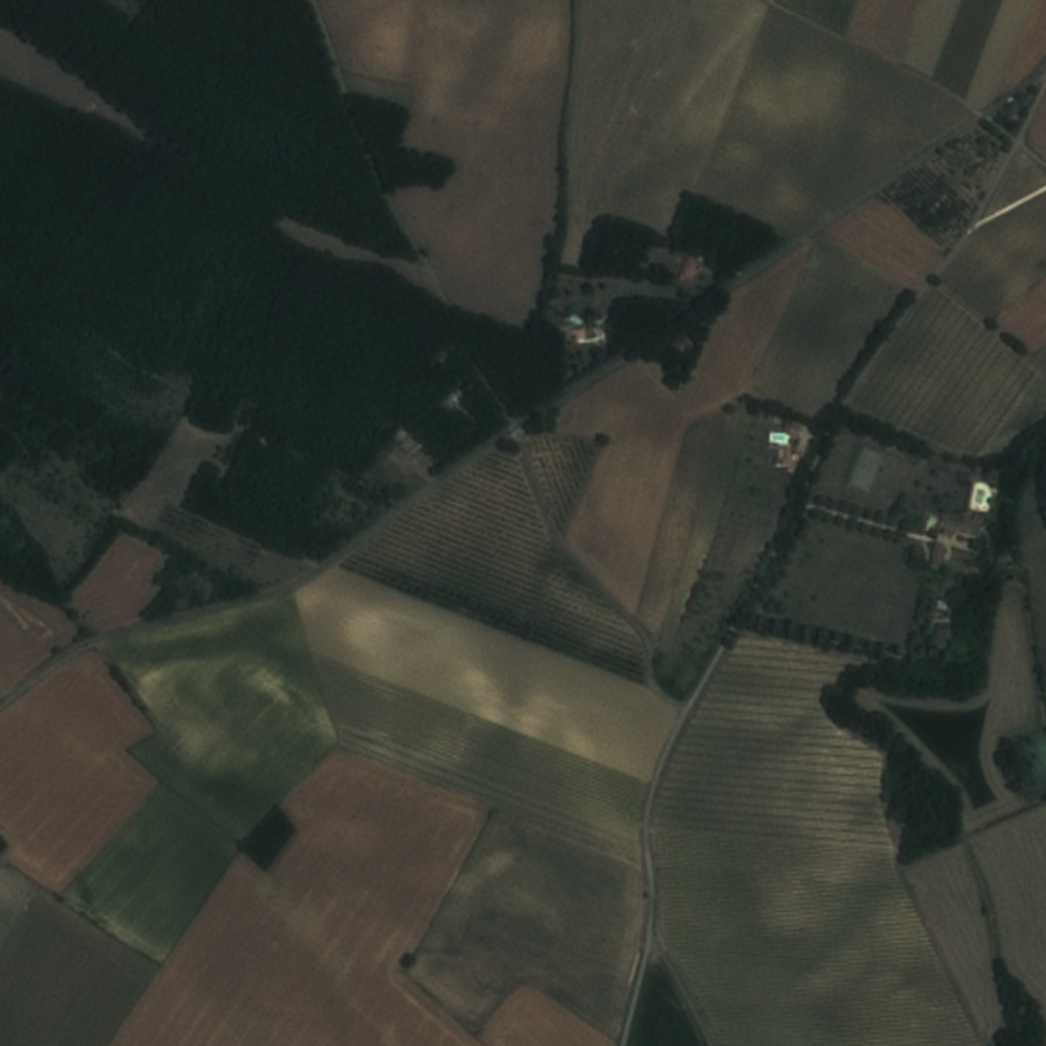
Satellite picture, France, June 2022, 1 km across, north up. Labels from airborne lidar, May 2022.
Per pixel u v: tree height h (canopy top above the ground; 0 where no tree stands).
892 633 0
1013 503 18
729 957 0
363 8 0
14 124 10
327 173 11
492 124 0
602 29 0
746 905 0
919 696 21
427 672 0
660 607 0
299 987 0
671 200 0
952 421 0
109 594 0
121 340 13
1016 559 6
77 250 14
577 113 0
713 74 0
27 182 10
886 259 0
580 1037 0
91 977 0
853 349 0
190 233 13
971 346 0
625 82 0
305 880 0
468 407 11
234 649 0
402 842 0
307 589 0
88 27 12
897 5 0
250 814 0
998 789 0
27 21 22
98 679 0
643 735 0
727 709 0
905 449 12
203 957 0
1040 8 0
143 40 14
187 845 0
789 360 0
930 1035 0
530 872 0
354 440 7
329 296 16
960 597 17
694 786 0
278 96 15
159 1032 0
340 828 0
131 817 0
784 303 0
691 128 0
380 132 17
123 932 0
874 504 0
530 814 0
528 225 0
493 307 0
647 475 0
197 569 9
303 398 11
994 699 0
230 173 14
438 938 0
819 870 0
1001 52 0
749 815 0
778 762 0
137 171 8
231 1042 0
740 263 13
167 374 10
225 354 9
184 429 0
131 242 16
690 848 0
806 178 0
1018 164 0
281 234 15
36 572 14
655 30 0
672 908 0
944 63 0
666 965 0
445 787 0
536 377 19
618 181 0
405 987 0
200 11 17
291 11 18
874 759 0
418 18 0
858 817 0
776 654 0
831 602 0
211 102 13
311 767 0
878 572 0
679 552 0
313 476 12
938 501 10
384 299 15
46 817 0
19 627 0
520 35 0
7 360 16
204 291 12
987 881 0
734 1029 0
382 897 0
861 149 0
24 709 0
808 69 0
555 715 0
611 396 0
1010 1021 10
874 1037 0
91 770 0
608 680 0
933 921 0
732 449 0
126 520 7
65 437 8
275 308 14
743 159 0
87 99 0
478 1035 0
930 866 0
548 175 0
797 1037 0
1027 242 0
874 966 0
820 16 0
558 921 0
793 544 15
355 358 13
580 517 0
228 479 12
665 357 15
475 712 0
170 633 0
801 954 0
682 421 0
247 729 0
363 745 0
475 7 0
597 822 0
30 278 10
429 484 0
